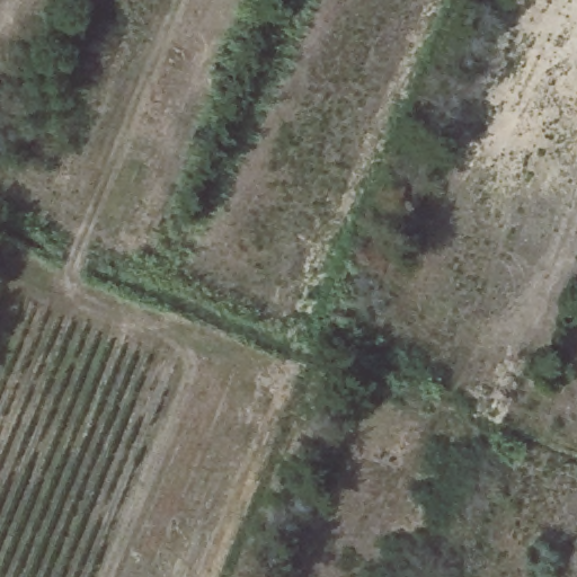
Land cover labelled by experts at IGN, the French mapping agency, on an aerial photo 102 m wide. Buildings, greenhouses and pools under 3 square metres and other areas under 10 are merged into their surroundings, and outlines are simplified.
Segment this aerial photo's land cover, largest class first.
<instances>
[{"label":"herbaceous vegetation","instance_id":"1","mask_svg":"<svg viewBox=\"0 0 577 577\"><path fill-rule=\"evenodd\" d=\"M47 0H0V70L11 63V47L20 45L23 50H29L38 36H43L38 32V16L45 11ZM241 0H90V20L83 34H74L77 38L72 50H77V63L68 74V86L63 88L68 97L77 104H88L92 110H97V119L90 126L88 142L83 144L81 153L65 156L61 160V169L56 171H38L29 165L27 169H23L20 165L9 167L7 171L0 169V183L5 187L14 183L23 185L29 192V198L38 201L41 207L52 210L56 214V223L63 230L72 232V246L65 264H52L38 257L34 250H29L27 259L52 273L54 286H63L72 307L79 313L92 318L95 329L101 331L104 325H110V329L119 334L117 343L122 345L126 343L128 331H153L158 340L167 343L174 349V354L183 358V379L171 399V406L167 408V415L160 419L158 437L153 440L140 467V478L135 480V487L122 509L115 539L106 552V559L97 577H219L230 552V545L234 541V534L243 516L248 514L250 500L257 491V476L270 455L273 437L277 435L279 410L291 397L293 381L298 372L304 367V363L277 358L275 354L241 340L234 334H225L198 320H189L162 307L140 304L137 300L124 298L113 284H101L97 279L86 282L83 275L88 246L95 237L101 239L106 248H113L117 252H131L142 246L153 248L160 241V205L165 201L169 185L180 183L185 178V160L194 137L196 128L205 124V115L212 108L210 92L214 90V54L221 50L228 29L237 20L239 5ZM442 11V0H322L313 27L304 34L302 59L284 61L277 81L264 88L261 99L255 108V119L261 124L257 133V147L248 153L237 156L239 176L234 183V194L228 203H221L223 183L216 178L205 180L201 187H194L198 207L194 212V219L198 223H189L185 228L187 239H192L198 246V252L187 255V264H194L196 270L212 273L214 282L223 289L237 286L266 300L268 311H277L282 316H289L293 311L313 313L316 302L309 300V291L325 282V273H318V266L325 264L331 239L338 234L340 225L352 221L349 210L356 203V187L365 178L367 167L374 162V151H383V144L388 140V119L394 99L408 97L410 72L417 63L419 50L424 47V41H428L430 36V16ZM534 5L518 18V25L500 34L496 56L489 63L487 74L476 79L471 86V99L491 104L489 115L494 117V122L489 124L487 135L478 142H471L473 156L469 158L467 169L449 174V198L421 196L410 214H397L390 228L379 225V234L374 239H361V243L352 250V264L356 268V275L345 277L347 309H356L361 316H367V307H374L376 325H390L397 336L417 338L421 343L433 345L430 361H444L453 370V381L476 399V417H482L494 424H503V419L507 417L512 399L505 397V390L516 388V381L512 379L523 370L525 361L518 356V349H539L552 343L559 316V295L568 279L577 273V0H532ZM557 417H563L568 433L577 440V379L566 383L559 392H550L545 401H539L541 426H552ZM430 421V412L419 410L408 417L399 406L388 401L372 417L361 421L363 440L352 446L354 460L361 462V473L358 489H347L340 494V505L336 512L340 525L334 530L336 557H340L345 548L352 545L358 554L367 559H381V550L376 543L379 536L390 532H415L424 525V507L415 503L408 487L415 480H424V471H417L421 453L417 449L421 442V433ZM545 489H559V496H548V505L557 509V527L572 534L575 539L570 575L566 577H577V467L554 471V478L543 480Z\"/></svg>","mask_w":577,"mask_h":577},{"label":"brushwood","instance_id":"2","mask_svg":"<svg viewBox=\"0 0 577 577\"><path fill-rule=\"evenodd\" d=\"M322 0H307L302 11L295 14V27L284 32L286 45L277 47L284 61L302 59L304 34L313 27ZM534 5L532 0H442V11L430 16V36L428 41H424V47L419 50L417 63L410 72L408 97L394 99L388 119V140L383 144V151H374V162L367 167L365 178L356 187V203L349 210L352 221L340 225L338 234L331 239L325 264L318 266V273H325V282L309 291V300L316 302L313 313L293 311L289 316H282L277 311H268L266 300L237 286L223 289L214 282L212 273L196 270L194 264H187V255L198 252V246L192 239H187L185 228L189 223H198L194 219V212L198 207L194 187H201L205 180L203 169L207 165V142L194 137L185 160V178L180 183L169 185L165 201L160 205V241L153 248L142 246L131 252H117L113 248H106L101 239L95 237L88 246L83 275L86 282L97 279L101 284H113L124 298L137 300L140 304L162 307L189 320H198L225 334H234L241 340L275 354L277 358L304 363V367L298 372L293 381L291 397L279 410L277 435L273 437L270 455L257 476V491L250 500L248 514L243 516L234 534V541L230 545V552L219 577H246L252 570L257 550L255 545L261 539L259 525L273 521L275 514V507H268V496L270 491H279V482L289 478L286 460L300 451L302 437L316 435L318 412L325 410L320 388L325 381V372L316 370L313 354L320 347V334L329 329V325L345 327L347 318L336 316L331 309H347L345 277L356 275V268L352 264V250L361 243V239H374L379 234V225L390 228L397 214H410L421 196L449 198V174L467 169L469 158L473 156L471 142H478L487 135L489 124L494 122V117L489 115L491 104L471 99V86L476 79L487 74L489 63L496 56L500 34L518 25V18ZM252 27L250 11L239 5L237 20L228 29L221 50L214 54V90L210 92L212 108L205 115V124H216V117L223 113V104L234 101L237 97L234 86L237 68L241 63V45L234 41V36H248ZM11 63L0 70V169L7 171L9 167L20 165L23 169H27L29 165L38 171H56L61 169V160L65 156L81 153L83 144L88 142L90 126L97 119V110H92L88 104H77L65 115L59 113V122L34 126L29 122V115L25 113L20 97L25 95L23 68L25 59L29 56V50H23L20 45L11 47ZM25 232L34 241H38L34 250L38 257L52 264H65L72 246V232L63 230L56 223V214L52 210L41 207V212H25ZM433 345L421 343L417 338L397 336V365L388 374V401L399 406L408 417L419 410L430 412V421L421 433V442L417 449L421 453L417 471H424V480H415L408 487L415 503L424 507V525L415 532H390L379 536L376 543L381 550V559H367L358 554L352 545L345 548L340 557H336L331 566L343 570L340 577H566L570 575L575 539L572 534L557 527V509L548 505V496H559V489H545L543 480L554 478V471L577 467V440L568 433L563 417H557L552 426H541L539 401H545L550 392L543 385H536L532 376L523 370L512 379L516 381V388L505 390V397L512 399L507 417L503 419V424H494L482 417H476V399L453 381V370L444 361H430Z\"/></svg>","mask_w":577,"mask_h":577},{"label":"deciduous trees","instance_id":"3","mask_svg":"<svg viewBox=\"0 0 577 577\"><path fill-rule=\"evenodd\" d=\"M38 32L43 36H38L29 50V56L25 59L23 68L25 95L20 97L25 113L29 115V122L34 126L59 122V113L65 115L77 104L68 97L63 88L68 86V74L77 63V50H72L77 38L74 34H83L90 20V0H47L45 11L38 16ZM307 0H241L239 5L250 11L252 27L248 36H234V41L241 45V63L237 68L234 86L237 97L234 101L223 104V113L216 117V124H205L196 128L194 137L207 142V165L203 169L205 180L216 178L223 183L221 203H228L234 194V183L239 176L237 156L248 153L257 147V133L261 124L255 119V108L261 99L264 88L277 81L284 61L277 47L286 45L284 32L295 27V14L302 11ZM25 212H41V207L38 201L29 198V192L23 185L14 183L5 187L0 183V365L5 361L9 338L16 325L25 316L23 291H11L9 282L23 275L27 259L29 250H34L38 241H34L25 232ZM518 356L525 361L523 370L532 376L536 385H543L550 392H559L566 383L577 379V273L568 279L559 295V316L552 343L539 349H518ZM336 316L347 318L345 327L329 325V329L320 334V347L313 354L316 370L325 372V381L320 388L325 410L318 412L316 435L302 437L300 451L286 460L289 478L279 482V491H270L268 496V507H275V514L273 521L259 525L261 539L255 545L257 550L252 570L246 577H340L343 570L331 566L336 557L334 530L340 525L336 512L340 505V494L347 489H358L361 473V462L354 460L352 446L363 440L361 421L372 417L388 401V374L397 365V336L390 325H376L374 307H367V316H361L356 309H331Z\"/></svg>","mask_w":577,"mask_h":577},{"label":"vineyard","instance_id":"4","mask_svg":"<svg viewBox=\"0 0 577 577\"><path fill-rule=\"evenodd\" d=\"M11 291H23L25 316L16 325L9 338L5 361L0 365V577H97L106 559V552L115 539L122 509L135 487V480L140 478V467L153 440L158 437L160 419L167 415V408L171 406V399L183 379V358L174 354V349L167 343L158 340L153 331H128L126 343L122 345L117 343L119 334L110 329V325H104L101 331L95 329L92 318L79 313L72 307L63 286H54L52 273L27 259L23 275L9 282Z\"/></svg>","mask_w":577,"mask_h":577}]
</instances>
